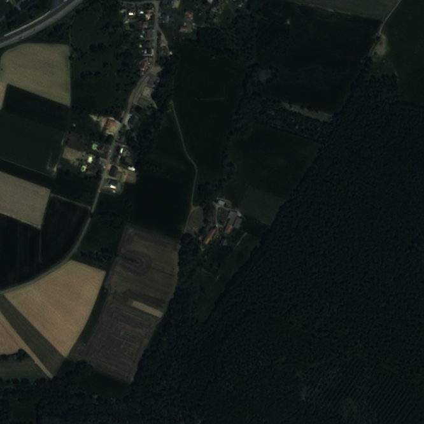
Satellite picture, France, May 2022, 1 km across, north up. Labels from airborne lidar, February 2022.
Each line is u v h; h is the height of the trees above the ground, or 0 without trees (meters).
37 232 0
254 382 9
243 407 14
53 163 0
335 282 27
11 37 0
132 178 0
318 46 0
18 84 0
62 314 0
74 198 0
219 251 0
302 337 7
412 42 0
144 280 0
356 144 22
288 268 26
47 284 0
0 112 0
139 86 0
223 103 0
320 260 24
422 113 14
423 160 17
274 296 27
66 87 0
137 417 36
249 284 25
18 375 0
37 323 0
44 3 0
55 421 28
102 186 0
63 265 0
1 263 0
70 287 0
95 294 0
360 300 24
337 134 15
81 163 0
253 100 18
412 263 27
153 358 26
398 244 16
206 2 14
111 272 0
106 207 0
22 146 0
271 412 10
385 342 27
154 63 0
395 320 26
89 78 12
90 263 0
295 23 0
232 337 25
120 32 0
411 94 0
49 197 0
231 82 0
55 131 0
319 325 27
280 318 10
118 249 0
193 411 26
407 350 24
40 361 0
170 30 0
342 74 0
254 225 0
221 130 0
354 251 23
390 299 23
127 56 19
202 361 11
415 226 15
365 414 6
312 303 29
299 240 25
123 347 0
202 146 0
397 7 0
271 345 19
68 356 0
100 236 0
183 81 0
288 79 0
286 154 0
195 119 0
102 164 0
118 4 10
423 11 0
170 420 27
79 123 0
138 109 14
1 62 0
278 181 0
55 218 0
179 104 0
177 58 19
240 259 0
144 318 0
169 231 0
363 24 0
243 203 0
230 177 13
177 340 28
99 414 21
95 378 0
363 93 13
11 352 0
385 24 0
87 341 0
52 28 0
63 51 0
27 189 0
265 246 15
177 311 25
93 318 0
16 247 0
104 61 0
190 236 19
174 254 0
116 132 0
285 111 13
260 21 7
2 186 0
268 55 0
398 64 0
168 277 0
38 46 0
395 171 20
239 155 0
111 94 0
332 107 0
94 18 0
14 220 0
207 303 0
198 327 7
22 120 0
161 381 29
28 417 0
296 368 7
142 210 0
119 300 0
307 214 27
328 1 0
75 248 0
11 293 0
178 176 0
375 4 0
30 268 0
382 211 19
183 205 0
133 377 0
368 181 18
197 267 15
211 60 0
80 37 0
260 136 0
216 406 18
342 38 0
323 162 19
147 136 21
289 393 10
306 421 10
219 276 0
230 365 27
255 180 0
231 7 0
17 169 0
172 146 0
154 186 0
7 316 0
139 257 0
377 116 26
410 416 9
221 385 26
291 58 0
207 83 0
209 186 18
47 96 0
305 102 0
